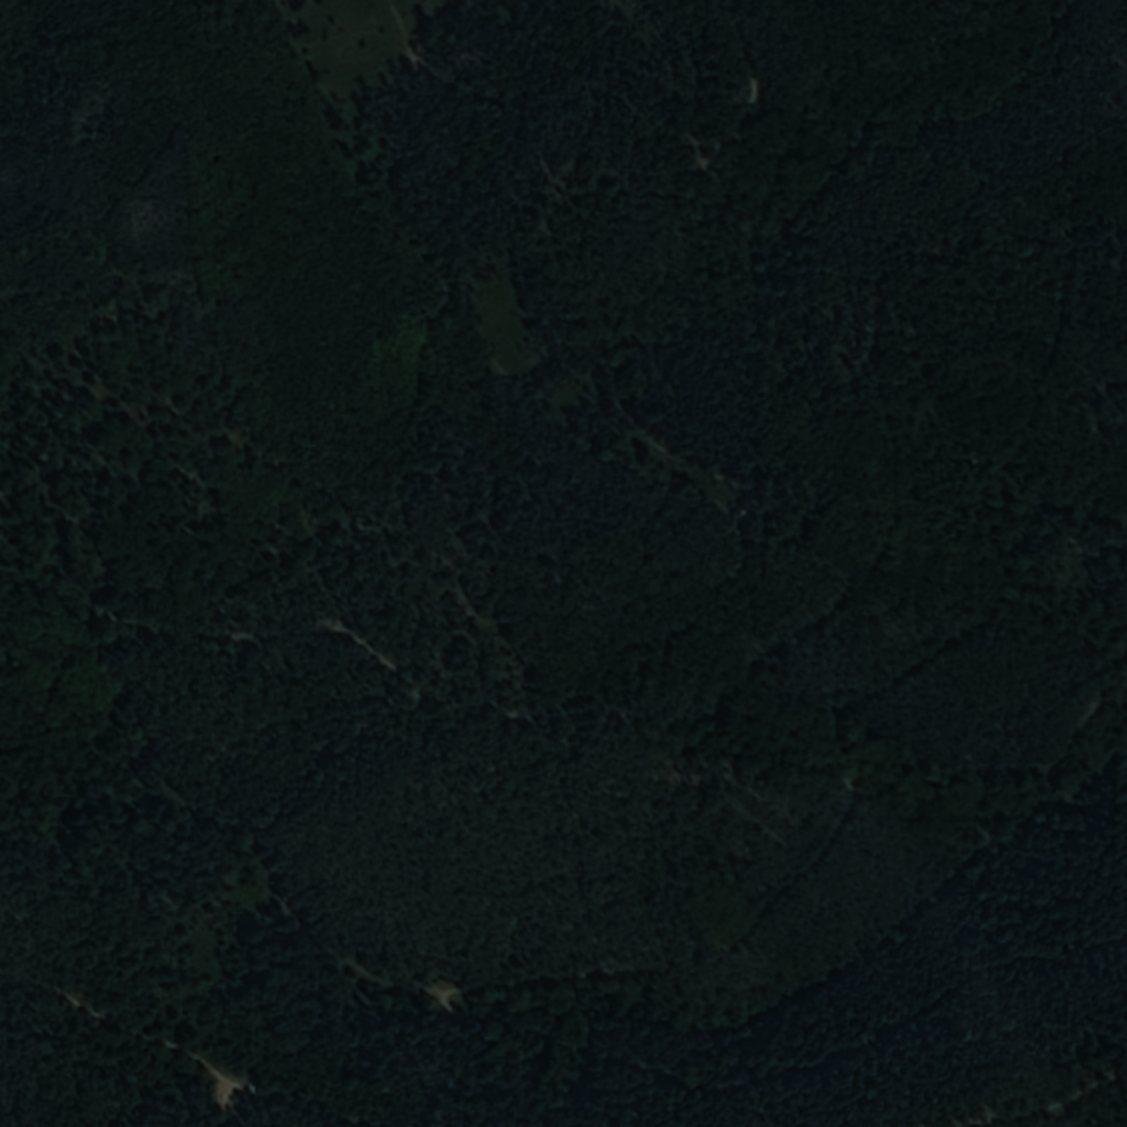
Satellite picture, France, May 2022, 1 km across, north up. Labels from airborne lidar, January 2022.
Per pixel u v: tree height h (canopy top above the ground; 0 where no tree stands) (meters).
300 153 15
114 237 16
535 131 23
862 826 23
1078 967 26
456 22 30
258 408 10
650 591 21
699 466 31
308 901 30
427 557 16
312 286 13
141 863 32
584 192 17
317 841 19
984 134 22
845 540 21
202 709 23
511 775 26
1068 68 24
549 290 19
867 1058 28
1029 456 16
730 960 13
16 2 18
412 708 14
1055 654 22
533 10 24
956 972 26
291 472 10
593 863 24
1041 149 18
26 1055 20
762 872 24
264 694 23
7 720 24
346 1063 13
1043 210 13
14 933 20
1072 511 26
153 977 13
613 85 19
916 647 18
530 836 21
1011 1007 21
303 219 14
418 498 15
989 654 24
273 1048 11
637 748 19
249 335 19
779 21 17
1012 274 23
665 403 32
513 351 0
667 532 16
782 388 19
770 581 20
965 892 26
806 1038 30
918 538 22
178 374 23
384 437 18
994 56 26
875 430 18
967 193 22
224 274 13
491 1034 25
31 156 17
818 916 27
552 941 27
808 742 28
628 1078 31
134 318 21
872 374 19
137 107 16
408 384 16
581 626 15
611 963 24
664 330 24
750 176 17
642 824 24
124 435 23
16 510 36
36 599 31
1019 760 26
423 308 12
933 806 30
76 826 30
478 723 22
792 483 20
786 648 26
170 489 23
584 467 20
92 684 29
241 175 12
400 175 21
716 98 9
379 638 18
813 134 23
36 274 7
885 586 18
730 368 29
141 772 34
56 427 33
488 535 30
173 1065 11
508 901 21
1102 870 28
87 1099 25
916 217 19
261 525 21
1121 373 16
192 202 10
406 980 30
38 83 21
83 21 10
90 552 11
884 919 27
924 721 27
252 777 26
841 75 23
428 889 20
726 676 20
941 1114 20
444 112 23
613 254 20
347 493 15
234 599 25
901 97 26
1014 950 19
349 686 26
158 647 26
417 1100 12
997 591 17
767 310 27
